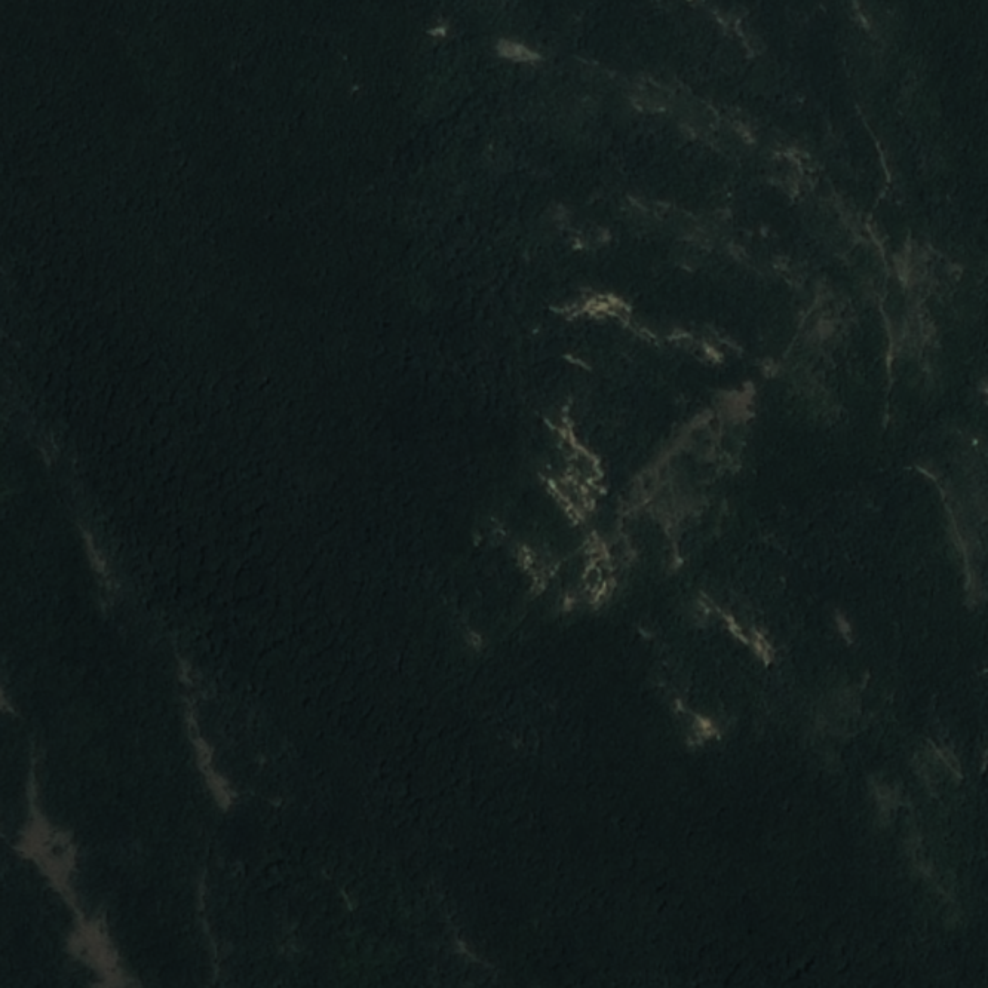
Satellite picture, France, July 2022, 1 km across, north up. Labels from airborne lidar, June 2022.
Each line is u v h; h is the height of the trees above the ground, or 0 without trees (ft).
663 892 71
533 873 46
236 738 26
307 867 39
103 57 48
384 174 61
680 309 26
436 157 28
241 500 60
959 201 33
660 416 22
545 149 37
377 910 38
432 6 36
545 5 20
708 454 0
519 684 33
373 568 59
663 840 60
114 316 57
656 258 19
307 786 34
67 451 33
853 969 58
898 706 43
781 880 53
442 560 49
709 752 23
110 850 27
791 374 26
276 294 52
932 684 59
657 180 19
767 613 25
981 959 36
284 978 30
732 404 0
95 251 64
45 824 0
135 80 54
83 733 23
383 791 51
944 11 52
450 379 44
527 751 21
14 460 25
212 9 52
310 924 34
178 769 20
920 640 40
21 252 52
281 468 58
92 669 29
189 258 51
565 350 17
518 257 30
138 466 64
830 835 47
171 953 40
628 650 23
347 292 66
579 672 47
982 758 29
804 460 54
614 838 43
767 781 39
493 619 27
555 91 22
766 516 44
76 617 27
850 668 36
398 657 57
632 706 38
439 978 21
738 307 29
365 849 25
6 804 18
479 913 41
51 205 44
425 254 36
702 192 18
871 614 40
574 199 27
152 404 59
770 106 24
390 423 31
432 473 43
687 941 65
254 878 41
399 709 36
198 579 52
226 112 52
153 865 24
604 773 53
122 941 18
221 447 44
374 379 56
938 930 33
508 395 33
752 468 47
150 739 22
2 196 50
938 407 29
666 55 17
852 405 26
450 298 28
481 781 51
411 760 49
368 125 61
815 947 69
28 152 56
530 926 26
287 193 77
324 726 53
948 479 20
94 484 51
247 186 55
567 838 52
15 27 56
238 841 74
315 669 61
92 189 59
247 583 93
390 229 47
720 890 58
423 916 19
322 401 63
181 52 42
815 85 20
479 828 58
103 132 51
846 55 20
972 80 58
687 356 33
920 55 46
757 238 22
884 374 26
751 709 25
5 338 31
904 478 25
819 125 18
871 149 18
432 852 49
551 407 19
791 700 27
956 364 32
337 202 67
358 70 55
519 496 24
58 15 55
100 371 48
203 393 54
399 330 64
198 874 26
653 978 43
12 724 19
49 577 48
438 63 24
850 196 19
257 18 61
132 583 36
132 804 22
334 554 59
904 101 22
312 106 47
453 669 36
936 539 24
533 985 19
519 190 20
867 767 23
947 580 38
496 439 35
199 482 42
